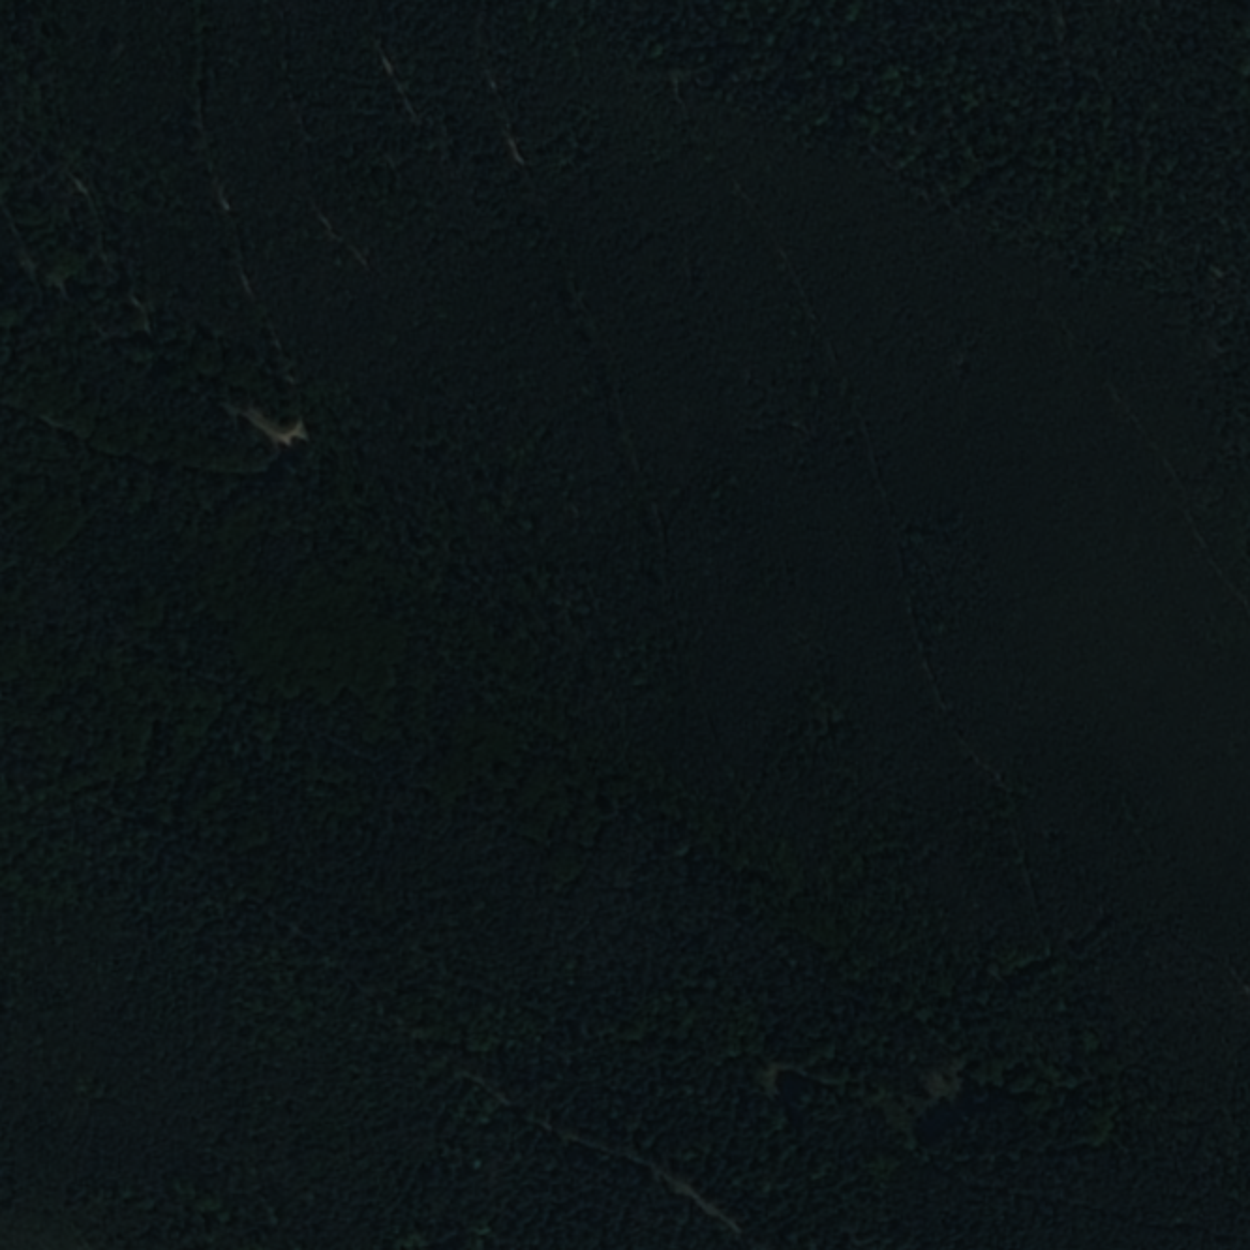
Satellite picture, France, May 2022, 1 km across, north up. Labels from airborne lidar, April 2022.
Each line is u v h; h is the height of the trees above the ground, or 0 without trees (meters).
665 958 27
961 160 28
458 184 19
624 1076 27
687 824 21
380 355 16
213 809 28
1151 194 21
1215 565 10
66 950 23
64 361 20
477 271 16
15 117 23
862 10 27
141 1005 18
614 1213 27
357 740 23
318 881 25
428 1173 25
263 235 18
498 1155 26
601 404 13
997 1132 24
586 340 28
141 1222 22
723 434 14
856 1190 22
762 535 16
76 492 19
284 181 21
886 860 19
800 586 18
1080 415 12
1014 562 14
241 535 21
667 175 15
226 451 26
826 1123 26
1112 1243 19
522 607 17
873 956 18
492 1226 26
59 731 20
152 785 18
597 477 9
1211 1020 19
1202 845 14
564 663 21
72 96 18
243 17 19
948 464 14
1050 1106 27
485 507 12
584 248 14
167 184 14
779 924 21
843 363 14
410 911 24
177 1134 26
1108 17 21
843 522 16
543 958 25
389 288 16
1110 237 23
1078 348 13
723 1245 20
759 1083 16
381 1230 21
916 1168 24
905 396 13
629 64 16
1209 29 16
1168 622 10
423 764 31
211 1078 27
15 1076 24
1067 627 12
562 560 16
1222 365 15
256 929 23
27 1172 19
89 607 23
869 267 15
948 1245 20
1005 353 13
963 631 16
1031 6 25
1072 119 26
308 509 22
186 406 23
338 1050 26
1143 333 19
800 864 19
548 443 13
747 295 13
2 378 23
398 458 14
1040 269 19
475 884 23
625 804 20
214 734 21
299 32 21
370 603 26
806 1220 26
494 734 23
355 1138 20
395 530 15
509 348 13
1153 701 11
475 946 27
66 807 19
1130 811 13
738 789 17
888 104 27
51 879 22
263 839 26
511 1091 23
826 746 14
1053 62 24
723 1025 28
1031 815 14
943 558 21
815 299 14
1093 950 19
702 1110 28
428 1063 21
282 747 21
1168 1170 21
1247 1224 24
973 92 28
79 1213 19
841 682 17
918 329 16
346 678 20
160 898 25
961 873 19
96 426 30
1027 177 27
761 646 15
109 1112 23
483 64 19
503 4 19
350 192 22
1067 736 16
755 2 32
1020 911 18
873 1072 25
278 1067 24
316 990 19
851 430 16
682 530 13
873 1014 22
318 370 15
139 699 22
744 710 16
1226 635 14
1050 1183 24
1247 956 14
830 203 12
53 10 19
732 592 16
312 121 21
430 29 21
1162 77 22
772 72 32
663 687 15
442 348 13
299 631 27
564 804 23
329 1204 24
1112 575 12
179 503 20
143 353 23
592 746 22
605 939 24
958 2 26
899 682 15
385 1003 21
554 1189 21
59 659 18
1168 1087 26
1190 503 11
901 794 16
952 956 23
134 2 17
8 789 22
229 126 20
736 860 15
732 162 13
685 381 13
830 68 30
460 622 25
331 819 27
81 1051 23
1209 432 11
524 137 18
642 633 13
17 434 25
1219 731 11
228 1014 24
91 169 16
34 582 21
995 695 14
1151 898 17
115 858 20
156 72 18
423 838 25
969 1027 28
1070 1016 29
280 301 18
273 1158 24
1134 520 13
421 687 20
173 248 16
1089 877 15
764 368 15
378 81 10
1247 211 27
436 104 19
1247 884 13
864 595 16
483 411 17
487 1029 21
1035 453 13
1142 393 13
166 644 17
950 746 15
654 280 17
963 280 14
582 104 16
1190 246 24
